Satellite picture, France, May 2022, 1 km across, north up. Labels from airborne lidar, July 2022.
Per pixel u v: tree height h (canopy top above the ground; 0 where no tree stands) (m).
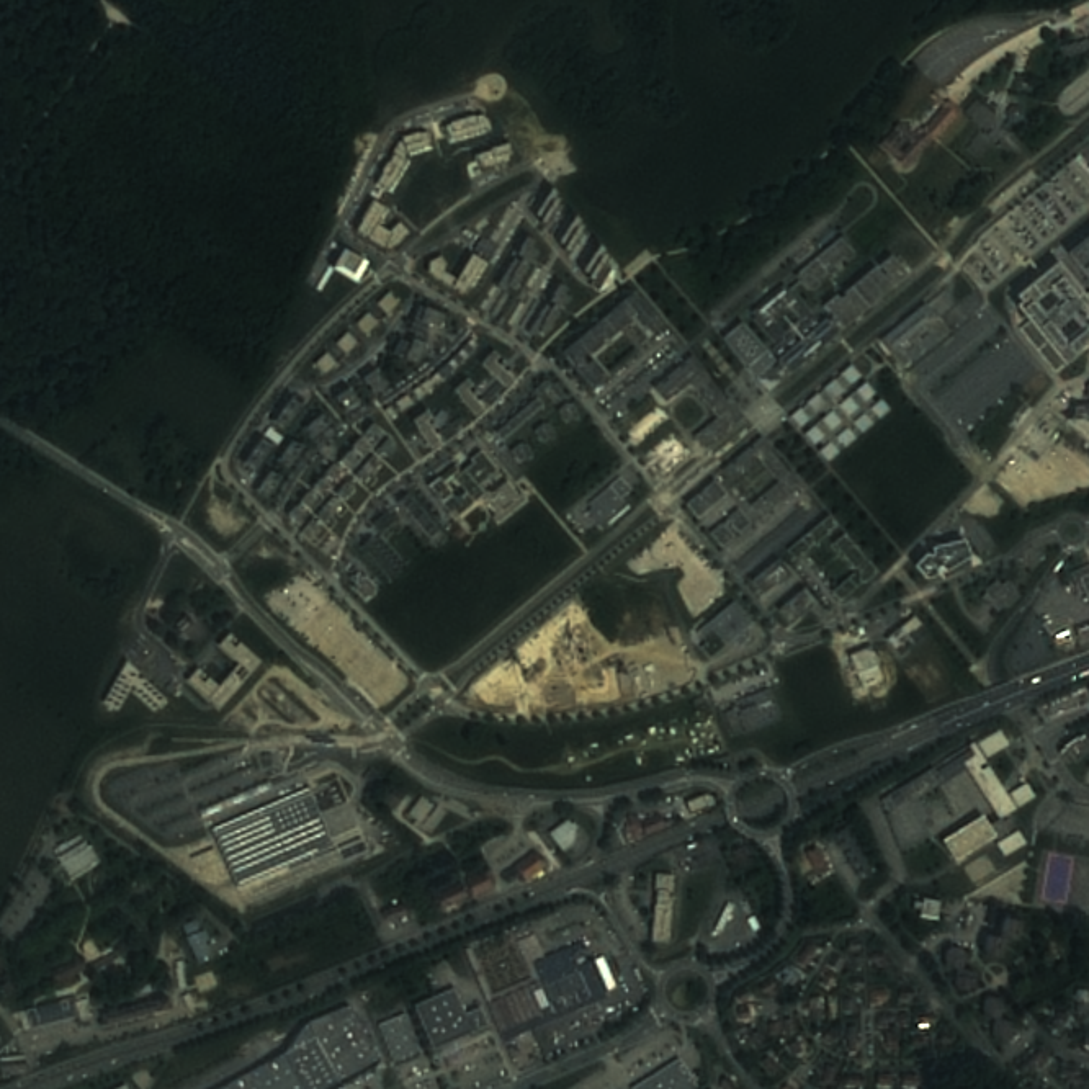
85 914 16
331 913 14
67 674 0
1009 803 0
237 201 12
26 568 0
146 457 7
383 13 0
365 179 0
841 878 0
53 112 20
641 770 0
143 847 13
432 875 16
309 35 15
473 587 0
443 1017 0
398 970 13
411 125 0
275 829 0
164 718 0
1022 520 11
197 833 0
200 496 0
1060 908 0
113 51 19
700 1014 0
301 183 10
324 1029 0
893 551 9
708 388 0
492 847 0
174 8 10
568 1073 0
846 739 0
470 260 0
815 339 0
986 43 0
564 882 0
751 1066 8
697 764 12
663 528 0
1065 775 0
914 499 0
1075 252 0
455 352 0
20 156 21
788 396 0
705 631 0
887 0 0
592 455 0
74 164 9
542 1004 0
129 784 0
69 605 0
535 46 7
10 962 10
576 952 0
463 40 0
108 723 0
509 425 0
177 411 0
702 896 0
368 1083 0
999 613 6
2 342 24
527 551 0
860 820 16
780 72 0
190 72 13
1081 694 0
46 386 22
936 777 0
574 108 5
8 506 0
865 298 0
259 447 0
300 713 0
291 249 7
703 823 0
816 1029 12
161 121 8
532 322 0
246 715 0
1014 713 0
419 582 0
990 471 0
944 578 0
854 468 0
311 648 0
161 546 0
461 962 0
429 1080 0
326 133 16
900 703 0
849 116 13
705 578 0
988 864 0
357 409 7
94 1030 0
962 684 0
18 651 0
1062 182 0
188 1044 7
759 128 0
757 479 0
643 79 7
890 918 9
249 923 0
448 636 0
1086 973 10
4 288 20
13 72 24
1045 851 0
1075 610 0
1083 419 0
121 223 8
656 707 9
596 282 0
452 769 0
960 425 0
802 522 0
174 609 11
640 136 0
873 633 0
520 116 0
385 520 0
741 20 16
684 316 0
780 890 9
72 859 0
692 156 0
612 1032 8
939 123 0
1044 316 0
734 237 13
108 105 9
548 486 0
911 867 0
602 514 0
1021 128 12
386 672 0
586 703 0
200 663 0
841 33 0
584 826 0
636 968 0
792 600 0
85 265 19
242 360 10
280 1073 0
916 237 0
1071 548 0
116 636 0
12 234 21
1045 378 0
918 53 0
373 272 0
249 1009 10
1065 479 0
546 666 0
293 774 0
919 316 0
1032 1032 0
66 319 23
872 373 0
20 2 22
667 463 0
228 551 0
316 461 0
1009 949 0
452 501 0
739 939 0
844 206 0
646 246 0
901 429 0
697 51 0
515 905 10
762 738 0
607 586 0
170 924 9
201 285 12
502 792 0
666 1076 0
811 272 0
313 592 0
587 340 0
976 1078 26
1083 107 0
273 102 14
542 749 0
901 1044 8
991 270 0
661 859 0
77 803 10
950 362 0
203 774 0
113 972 14
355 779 0
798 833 12
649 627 0
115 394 0
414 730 0
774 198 12
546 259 0
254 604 0
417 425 0
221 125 10
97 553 0
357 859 0
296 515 0
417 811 0
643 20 10
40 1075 0
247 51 14
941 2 12
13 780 0
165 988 16
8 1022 0
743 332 0
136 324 18
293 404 0
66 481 0
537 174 0
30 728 0
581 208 0
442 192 0
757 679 0
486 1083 0
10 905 6
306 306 0
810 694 0
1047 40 13
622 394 0
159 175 8
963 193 13
